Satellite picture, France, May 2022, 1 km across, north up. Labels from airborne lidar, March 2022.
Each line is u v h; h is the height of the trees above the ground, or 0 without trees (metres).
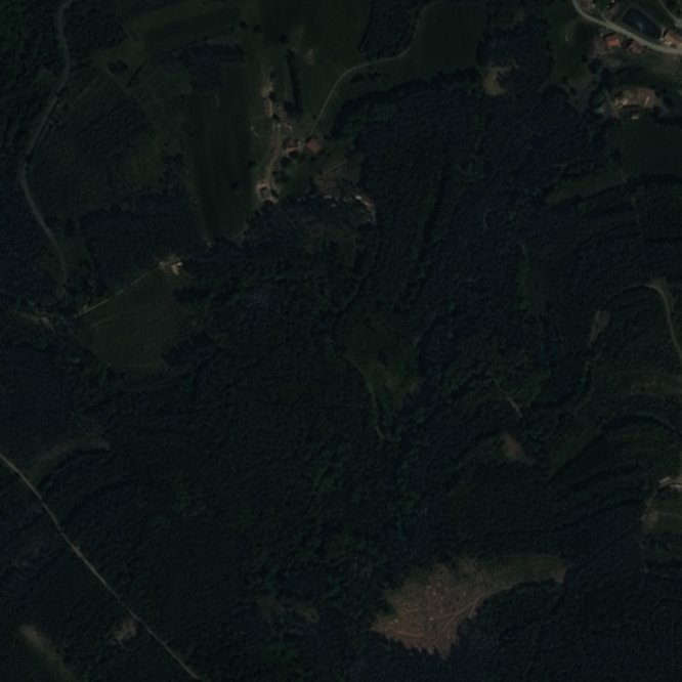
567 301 8
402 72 0
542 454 23
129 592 18
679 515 0
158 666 11
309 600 26
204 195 0
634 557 22
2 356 20
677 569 23
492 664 26
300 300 33
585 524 22
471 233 30
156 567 12
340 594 26
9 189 22
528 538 12
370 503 16
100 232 28
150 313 0
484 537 8
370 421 20
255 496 25
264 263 29
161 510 14
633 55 0
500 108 33
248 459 24
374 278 22
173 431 20
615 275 16
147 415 21
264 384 19
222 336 24
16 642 7
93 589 16
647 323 9
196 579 12
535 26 32
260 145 0
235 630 21
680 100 0
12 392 22
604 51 0
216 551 13
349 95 0
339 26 0
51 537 27
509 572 0
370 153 28
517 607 11
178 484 18
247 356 21
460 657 30
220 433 19
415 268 9
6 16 24
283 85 0
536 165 32
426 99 27
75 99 0
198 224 30
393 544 33
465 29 0
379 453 16
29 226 27
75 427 25
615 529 19
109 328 0
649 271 22
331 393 21
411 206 25
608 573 24
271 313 29
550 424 27
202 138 0
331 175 0
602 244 18
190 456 15
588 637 22
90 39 6
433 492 17
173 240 30
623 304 8
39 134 0
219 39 0
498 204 33
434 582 0
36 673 6
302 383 21
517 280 29
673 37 0
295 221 25
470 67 0
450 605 0
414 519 33
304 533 13
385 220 22
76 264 0
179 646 14
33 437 21
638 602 20
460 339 30
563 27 0
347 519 16
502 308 26
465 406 25
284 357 27
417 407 31
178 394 12
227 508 23
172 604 15
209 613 12
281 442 20
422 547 33
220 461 25
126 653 11
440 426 22
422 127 19
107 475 18
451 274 32
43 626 19
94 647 16
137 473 18
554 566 0
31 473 21
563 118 31
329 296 9
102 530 21
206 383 20
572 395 24
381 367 0
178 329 0
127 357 0
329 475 23
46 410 20
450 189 30
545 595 13
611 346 9
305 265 26
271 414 22
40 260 30
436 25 0
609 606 20
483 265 30
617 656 21
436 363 31
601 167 13
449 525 22
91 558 16
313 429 28
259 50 0
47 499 21
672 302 0
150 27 0
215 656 16
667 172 0
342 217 24
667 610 18
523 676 14
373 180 20
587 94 0
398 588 14
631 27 0
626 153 0
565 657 21
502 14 12
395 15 8
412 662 30
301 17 0
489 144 32
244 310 25
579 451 0
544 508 8
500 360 32
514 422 22
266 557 15
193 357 25
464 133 31
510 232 30
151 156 0
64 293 0
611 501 10
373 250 23
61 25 0
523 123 33
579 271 17
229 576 12
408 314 29
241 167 0
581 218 24
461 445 18
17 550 29
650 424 23
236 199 0
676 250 23
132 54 0
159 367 0
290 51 0
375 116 26
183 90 0
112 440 15
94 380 26
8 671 12
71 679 0
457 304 27
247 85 0
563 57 0
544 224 32
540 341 28
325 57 0
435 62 0
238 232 0
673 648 17
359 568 30
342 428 14
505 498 8
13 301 25
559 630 18
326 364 21
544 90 0
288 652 8
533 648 14
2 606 18
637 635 18
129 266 33
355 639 27
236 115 0
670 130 26
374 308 22
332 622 33
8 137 20
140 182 0
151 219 28
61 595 19
